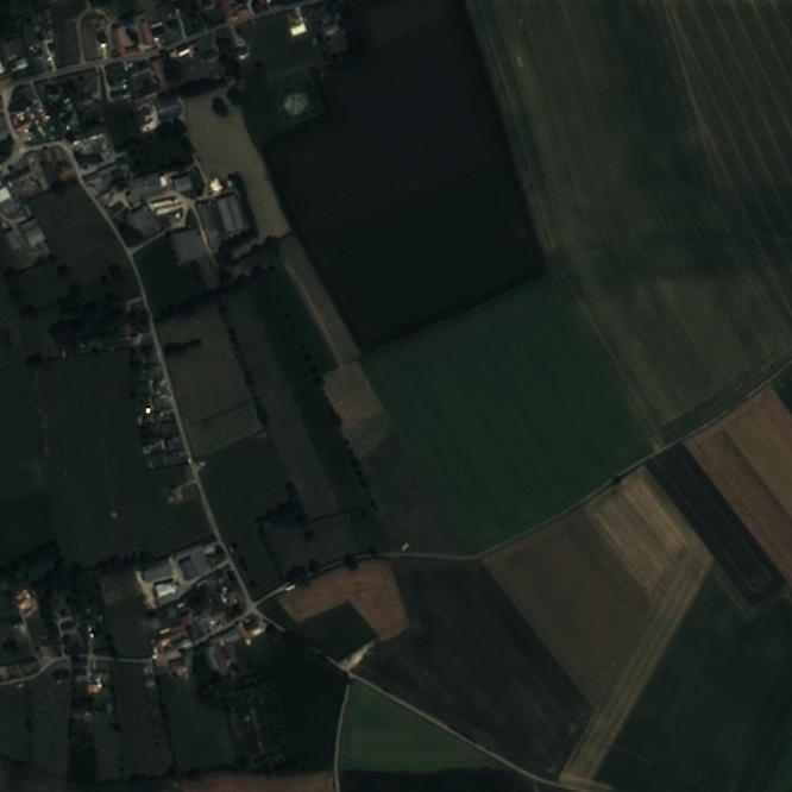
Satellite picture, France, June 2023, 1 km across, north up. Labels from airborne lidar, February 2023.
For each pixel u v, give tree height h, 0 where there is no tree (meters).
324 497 0
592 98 0
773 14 0
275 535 0
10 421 0
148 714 0
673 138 0
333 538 0
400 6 0
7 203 0
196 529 0
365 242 0
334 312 0
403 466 0
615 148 0
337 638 0
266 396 0
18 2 0
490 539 0
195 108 0
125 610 0
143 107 0
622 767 0
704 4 0
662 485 0
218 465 0
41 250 0
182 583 0
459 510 0
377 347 0
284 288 0
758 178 0
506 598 0
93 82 0
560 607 0
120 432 0
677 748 0
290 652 0
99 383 0
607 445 0
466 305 0
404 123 0
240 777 0
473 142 0
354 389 0
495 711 0
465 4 0
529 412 0
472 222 0
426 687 0
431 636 0
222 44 11
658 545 0
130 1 0
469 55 0
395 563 0
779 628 0
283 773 15
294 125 0
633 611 0
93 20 0
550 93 0
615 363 0
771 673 0
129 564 14
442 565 0
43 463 0
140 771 0
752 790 0
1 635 0
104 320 15
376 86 0
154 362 9
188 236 0
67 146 0
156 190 0
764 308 0
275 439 0
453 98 0
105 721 0
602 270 0
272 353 0
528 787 0
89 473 0
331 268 0
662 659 0
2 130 0
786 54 0
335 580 0
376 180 0
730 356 0
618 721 0
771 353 0
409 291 0
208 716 0
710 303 0
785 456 0
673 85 0
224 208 0
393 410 0
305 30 0
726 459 0
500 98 0
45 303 0
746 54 0
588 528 0
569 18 0
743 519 0
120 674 0
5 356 0
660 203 0
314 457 0
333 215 0
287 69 0
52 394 0
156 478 0
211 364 0
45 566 0
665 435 0
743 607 0
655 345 0
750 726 0
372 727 0
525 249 0
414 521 0
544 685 0
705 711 0
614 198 0
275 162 0
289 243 0
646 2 0
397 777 0
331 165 0
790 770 0
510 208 0
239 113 0
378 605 0
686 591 0
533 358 0
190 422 0
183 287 0
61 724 0
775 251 0
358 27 0
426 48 0
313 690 0
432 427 0
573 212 0
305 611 0
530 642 0
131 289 0
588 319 0
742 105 0
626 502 0
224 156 0
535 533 0
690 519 0
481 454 0
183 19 0
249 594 0
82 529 0
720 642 0
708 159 0
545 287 0
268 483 0
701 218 0
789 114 0
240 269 0
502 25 0
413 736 0
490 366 0
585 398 0
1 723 0
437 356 0
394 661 0
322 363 0
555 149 0
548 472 0
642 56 0
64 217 0
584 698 0
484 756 0
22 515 0
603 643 0
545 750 0
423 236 0
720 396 0
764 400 0
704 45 0
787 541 0
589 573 0
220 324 0
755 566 0
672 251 0
